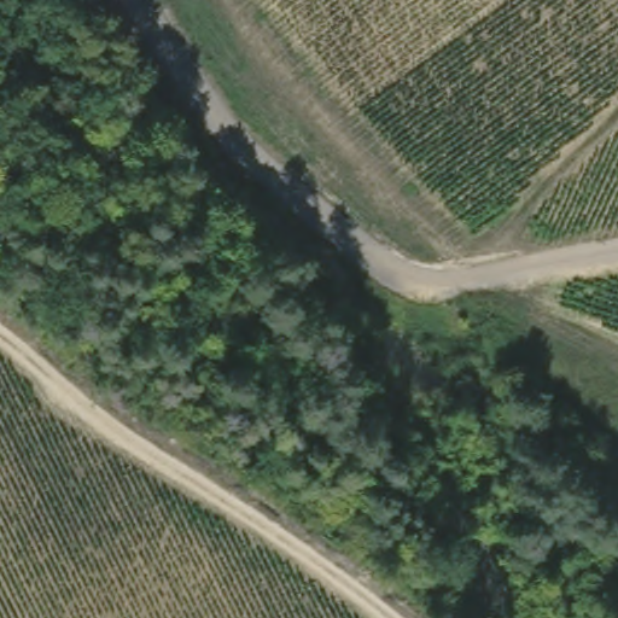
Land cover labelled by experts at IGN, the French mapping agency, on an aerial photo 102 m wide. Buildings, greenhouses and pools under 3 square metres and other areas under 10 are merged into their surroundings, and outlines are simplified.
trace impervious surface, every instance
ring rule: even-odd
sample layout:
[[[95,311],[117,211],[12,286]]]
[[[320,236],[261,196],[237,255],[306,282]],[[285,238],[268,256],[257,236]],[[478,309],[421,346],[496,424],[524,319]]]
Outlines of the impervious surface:
[[[490,251],[478,256],[464,256],[456,261],[432,263],[410,258],[393,246],[379,244],[365,229],[352,229],[350,215],[345,212],[345,208],[336,205],[333,193],[316,196],[316,181],[299,157],[285,162],[268,145],[253,152],[249,140],[244,138],[244,130],[232,126],[234,113],[227,99],[222,97],[220,87],[215,84],[212,75],[198,77],[198,46],[186,43],[186,39],[171,27],[159,24],[159,7],[155,0],[109,0],[121,12],[121,17],[133,29],[138,46],[147,48],[152,56],[159,56],[164,60],[167,92],[183,106],[188,116],[191,147],[200,152],[203,159],[210,162],[212,171],[225,174],[234,191],[246,193],[249,198],[261,203],[261,215],[270,222],[270,229],[278,234],[280,244],[290,253],[314,258],[319,263],[316,275],[323,280],[326,290],[333,297],[333,314],[340,319],[340,326],[350,328],[355,352],[360,352],[365,360],[381,360],[386,355],[386,340],[381,340],[381,331],[391,323],[386,299],[381,297],[384,290],[401,292],[420,302],[437,302],[456,297],[466,290],[526,290],[536,282],[565,282],[572,278],[618,275],[618,239],[577,241],[565,246],[550,246],[536,253],[526,253],[521,249]]]

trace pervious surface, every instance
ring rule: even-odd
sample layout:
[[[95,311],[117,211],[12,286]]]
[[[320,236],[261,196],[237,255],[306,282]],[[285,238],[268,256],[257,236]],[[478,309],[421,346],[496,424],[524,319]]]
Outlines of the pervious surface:
[[[191,468],[176,456],[169,456],[130,427],[126,427],[123,422],[118,422],[101,406],[97,406],[82,389],[68,381],[24,338],[10,331],[5,323],[0,323],[0,352],[5,352],[17,365],[17,369],[34,381],[36,396],[43,403],[48,403],[53,413],[63,418],[70,427],[97,432],[109,447],[116,447],[118,451],[128,454],[150,473],[157,473],[188,497],[225,514],[232,524],[263,536],[268,546],[273,546],[285,558],[297,562],[331,594],[352,604],[365,618],[406,618],[357,577],[333,565],[333,560],[326,558],[319,548],[304,543],[256,507],[246,505],[232,490],[225,490],[200,471]]]

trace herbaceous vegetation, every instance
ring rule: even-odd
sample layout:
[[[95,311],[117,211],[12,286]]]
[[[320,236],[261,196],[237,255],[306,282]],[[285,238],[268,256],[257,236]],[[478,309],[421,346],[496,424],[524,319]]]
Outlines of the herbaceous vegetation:
[[[591,471],[596,471],[604,483],[611,480],[613,485],[618,485],[618,345],[582,326],[587,314],[560,304],[565,282],[536,282],[526,290],[466,290],[456,297],[437,302],[420,302],[401,292],[384,290],[381,297],[386,299],[391,323],[410,333],[410,350],[444,352],[449,350],[454,336],[464,336],[468,331],[468,323],[464,321],[468,316],[468,309],[497,311],[509,321],[517,321],[526,331],[526,336],[507,343],[495,352],[495,372],[521,372],[524,381],[509,389],[517,403],[546,408],[553,437],[572,444],[584,459],[584,464]]]
[[[328,140],[326,133],[319,130],[311,116],[297,109],[292,97],[275,92],[275,77],[270,77],[270,70],[261,60],[249,60],[249,43],[244,43],[237,36],[234,24],[229,22],[225,7],[217,0],[155,0],[159,7],[159,24],[171,27],[186,39],[186,43],[198,46],[198,77],[212,75],[215,84],[220,87],[222,97],[227,99],[234,113],[232,126],[244,130],[244,138],[249,140],[253,152],[268,145],[285,162],[299,157],[316,181],[316,196],[333,193],[336,205],[345,208],[345,212],[350,215],[352,229],[365,229],[379,244],[393,246],[410,258],[432,263],[437,258],[437,251],[430,244],[420,241],[413,222],[396,220],[391,210],[379,212],[374,200],[365,196],[355,167],[348,162],[348,157],[343,157],[340,147]]]

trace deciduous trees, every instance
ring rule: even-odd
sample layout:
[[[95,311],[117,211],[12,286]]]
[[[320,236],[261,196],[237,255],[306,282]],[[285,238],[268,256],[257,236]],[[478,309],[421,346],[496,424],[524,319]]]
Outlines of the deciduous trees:
[[[0,0],[0,229],[19,227],[36,234],[48,227],[68,225],[77,234],[87,234],[94,227],[104,225],[109,217],[150,210],[150,205],[155,205],[159,212],[167,215],[167,222],[162,227],[171,232],[176,225],[186,225],[186,220],[193,212],[193,193],[205,188],[205,181],[198,179],[196,169],[196,164],[203,159],[200,152],[191,147],[188,116],[183,106],[167,92],[164,60],[159,56],[152,56],[147,48],[138,46],[133,29],[121,17],[101,17],[97,10],[72,12],[58,2],[34,2],[29,7],[22,0]]]

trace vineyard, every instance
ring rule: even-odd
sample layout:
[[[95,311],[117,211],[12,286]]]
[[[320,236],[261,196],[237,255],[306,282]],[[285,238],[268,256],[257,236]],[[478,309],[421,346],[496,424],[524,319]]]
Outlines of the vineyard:
[[[572,278],[565,282],[560,304],[587,314],[582,326],[618,345],[618,275]]]
[[[17,365],[5,352],[0,352],[0,618],[365,618],[352,604],[331,594],[297,562],[285,558],[273,546],[268,546],[263,536],[232,524],[225,514],[188,497],[157,473],[150,473],[128,454],[118,451],[116,447],[109,447],[97,432],[70,427],[63,418],[53,413],[48,403],[43,403],[36,396],[34,381],[17,369]]]
[[[275,92],[292,97],[297,109],[311,116],[319,130],[326,133],[328,140],[340,147],[343,157],[348,157],[348,162],[355,167],[365,196],[374,200],[379,212],[391,210],[396,220],[413,222],[420,241],[430,244],[437,251],[437,258],[432,263],[456,261],[464,256],[478,256],[490,251],[521,249],[526,253],[536,253],[550,246],[565,246],[577,241],[618,239],[618,0],[217,0],[225,7],[229,22],[234,24],[237,36],[244,43],[249,43],[249,60],[261,60],[270,70],[270,77],[275,77]]]

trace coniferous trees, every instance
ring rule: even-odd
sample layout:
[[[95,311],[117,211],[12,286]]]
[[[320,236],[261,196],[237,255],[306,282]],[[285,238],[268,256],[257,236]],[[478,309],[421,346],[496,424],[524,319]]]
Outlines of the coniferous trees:
[[[101,17],[121,17],[121,12],[109,0],[22,0],[29,7],[34,2],[58,2],[72,12],[97,10]]]
[[[205,181],[205,188],[193,193],[193,212],[186,220],[186,225],[176,225],[171,232],[162,227],[167,222],[167,215],[159,212],[155,205],[150,205],[150,210],[109,217],[104,225],[94,227],[87,234],[77,234],[68,225],[48,227],[36,234],[19,227],[0,229],[0,323],[5,323],[10,331],[24,338],[68,381],[82,389],[97,406],[101,406],[118,422],[123,422],[126,427],[130,427],[169,456],[176,456],[191,468],[200,471],[225,490],[232,490],[246,505],[256,507],[304,543],[319,548],[326,558],[333,560],[333,565],[357,577],[406,618],[618,618],[618,485],[613,485],[611,480],[604,483],[596,471],[591,471],[584,464],[584,459],[572,444],[553,437],[546,408],[517,403],[509,389],[524,381],[521,372],[495,372],[495,352],[507,343],[526,336],[526,331],[517,321],[509,321],[497,311],[468,309],[468,316],[464,321],[468,323],[468,331],[464,336],[454,336],[449,350],[444,352],[410,350],[410,333],[391,323],[381,331],[381,340],[386,340],[386,355],[381,360],[365,360],[360,352],[355,352],[350,328],[340,326],[340,319],[333,314],[333,297],[326,290],[323,280],[316,275],[319,263],[314,258],[290,253],[280,244],[278,234],[270,229],[270,222],[261,215],[261,203],[249,198],[246,193],[234,191],[225,174],[212,171],[210,162],[203,159],[196,164],[196,169],[198,179]]]

